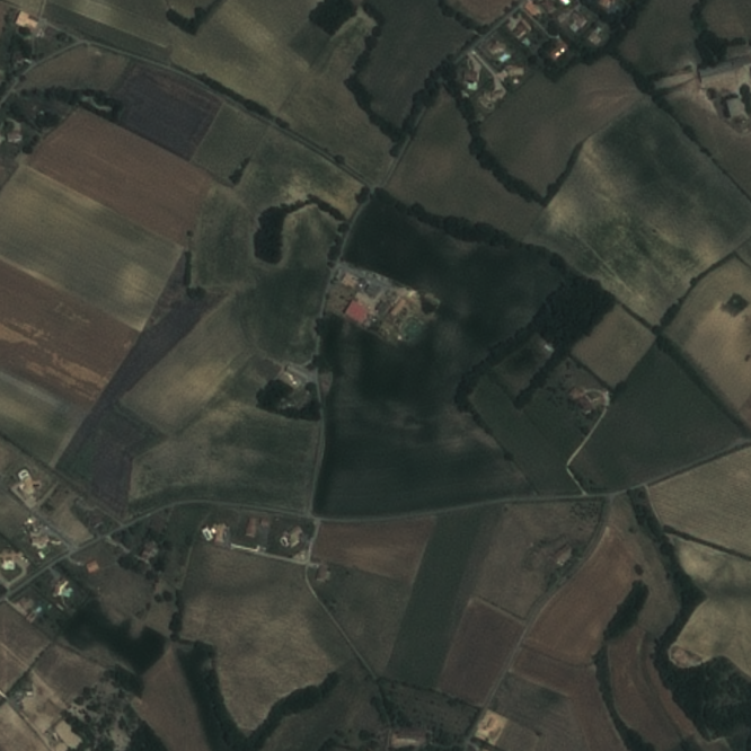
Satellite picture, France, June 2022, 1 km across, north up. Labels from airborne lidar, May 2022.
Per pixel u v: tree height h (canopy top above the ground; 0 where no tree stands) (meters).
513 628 0
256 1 0
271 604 0
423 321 0
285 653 0
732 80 0
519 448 0
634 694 0
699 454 0
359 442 0
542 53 12
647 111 0
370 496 0
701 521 0
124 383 0
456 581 0
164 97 0
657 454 0
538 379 13
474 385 13
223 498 0
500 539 0
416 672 0
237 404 0
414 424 0
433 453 0
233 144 0
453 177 0
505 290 0
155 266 0
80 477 0
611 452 0
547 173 0
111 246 0
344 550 0
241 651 0
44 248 0
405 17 0
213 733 0
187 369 0
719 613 0
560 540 0
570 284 7
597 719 0
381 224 0
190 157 0
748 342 0
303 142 0
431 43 0
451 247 0
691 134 13
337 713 0
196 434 0
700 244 0
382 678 8
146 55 0
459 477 0
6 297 0
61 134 0
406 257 0
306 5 0
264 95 0
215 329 0
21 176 0
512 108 0
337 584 0
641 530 0
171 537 0
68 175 0
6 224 0
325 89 0
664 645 11
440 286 0
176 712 0
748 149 0
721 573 0
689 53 0
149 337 0
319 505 0
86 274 0
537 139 0
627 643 0
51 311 0
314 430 0
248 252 0
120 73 0
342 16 12
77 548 0
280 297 0
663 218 0
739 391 0
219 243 0
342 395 0
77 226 0
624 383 10
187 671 0
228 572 0
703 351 0
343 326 0
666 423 0
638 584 9
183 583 0
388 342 0
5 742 0
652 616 0
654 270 0
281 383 14
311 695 15
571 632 0
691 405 0
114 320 0
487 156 19
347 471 0
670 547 12
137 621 0
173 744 0
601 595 0
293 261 0
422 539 0
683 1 0
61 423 0
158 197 0
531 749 0
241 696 0
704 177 0
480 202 0
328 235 0
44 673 0
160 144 0
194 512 0
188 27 16
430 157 0
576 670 0
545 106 0
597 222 0
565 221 0
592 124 0
